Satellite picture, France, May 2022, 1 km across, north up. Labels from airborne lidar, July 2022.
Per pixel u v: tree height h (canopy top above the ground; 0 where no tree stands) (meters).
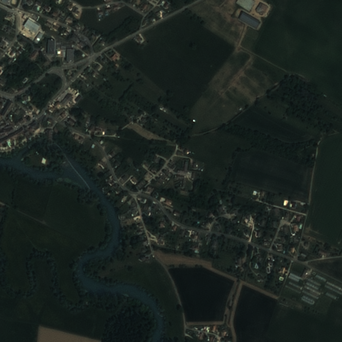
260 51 0
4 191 0
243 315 0
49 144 19
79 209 0
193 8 0
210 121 0
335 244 0
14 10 0
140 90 0
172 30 0
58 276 15
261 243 10
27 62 7
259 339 0
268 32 0
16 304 0
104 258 0
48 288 0
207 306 0
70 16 10
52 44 0
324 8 0
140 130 0
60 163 7
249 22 0
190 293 0
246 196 0
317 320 0
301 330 0
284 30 0
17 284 0
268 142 6
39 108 14
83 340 0
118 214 18
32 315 0
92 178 19
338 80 0
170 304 0
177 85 0
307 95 17
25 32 0
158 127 0
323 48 0
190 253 10
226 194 8
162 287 0
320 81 0
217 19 0
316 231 0
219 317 0
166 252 10
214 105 0
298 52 0
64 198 0
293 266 0
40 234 0
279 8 0
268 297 0
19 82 10
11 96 0
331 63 0
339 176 0
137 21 6
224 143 0
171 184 0
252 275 7
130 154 0
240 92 0
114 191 7
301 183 0
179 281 0
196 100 0
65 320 0
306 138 0
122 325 23
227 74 0
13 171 14
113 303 35
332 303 0
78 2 0
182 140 15
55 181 13
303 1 0
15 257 0
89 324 0
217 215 15
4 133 0
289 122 0
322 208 0
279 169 0
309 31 0
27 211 0
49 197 0
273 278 12
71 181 0
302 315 0
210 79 0
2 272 17
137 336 29
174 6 12
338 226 0
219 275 0
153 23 0
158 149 7
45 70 6
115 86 0
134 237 6
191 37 0
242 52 0
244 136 8
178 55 0
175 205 0
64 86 0
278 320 0
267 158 0
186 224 8
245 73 0
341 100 0
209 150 0
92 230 0
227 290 0
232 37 0
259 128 0
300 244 0
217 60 0
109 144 0
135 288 0
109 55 7
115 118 0
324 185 0
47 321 0
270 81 0
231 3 0
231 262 0
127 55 0
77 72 9
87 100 0
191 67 0
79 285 12
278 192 0
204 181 6
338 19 0
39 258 16
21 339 0
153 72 0
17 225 0
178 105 0
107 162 0
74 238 0
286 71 0
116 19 0
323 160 0
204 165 0
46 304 0
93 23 0
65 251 0
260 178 0
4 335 0
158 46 0
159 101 11
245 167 0
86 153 8
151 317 8
